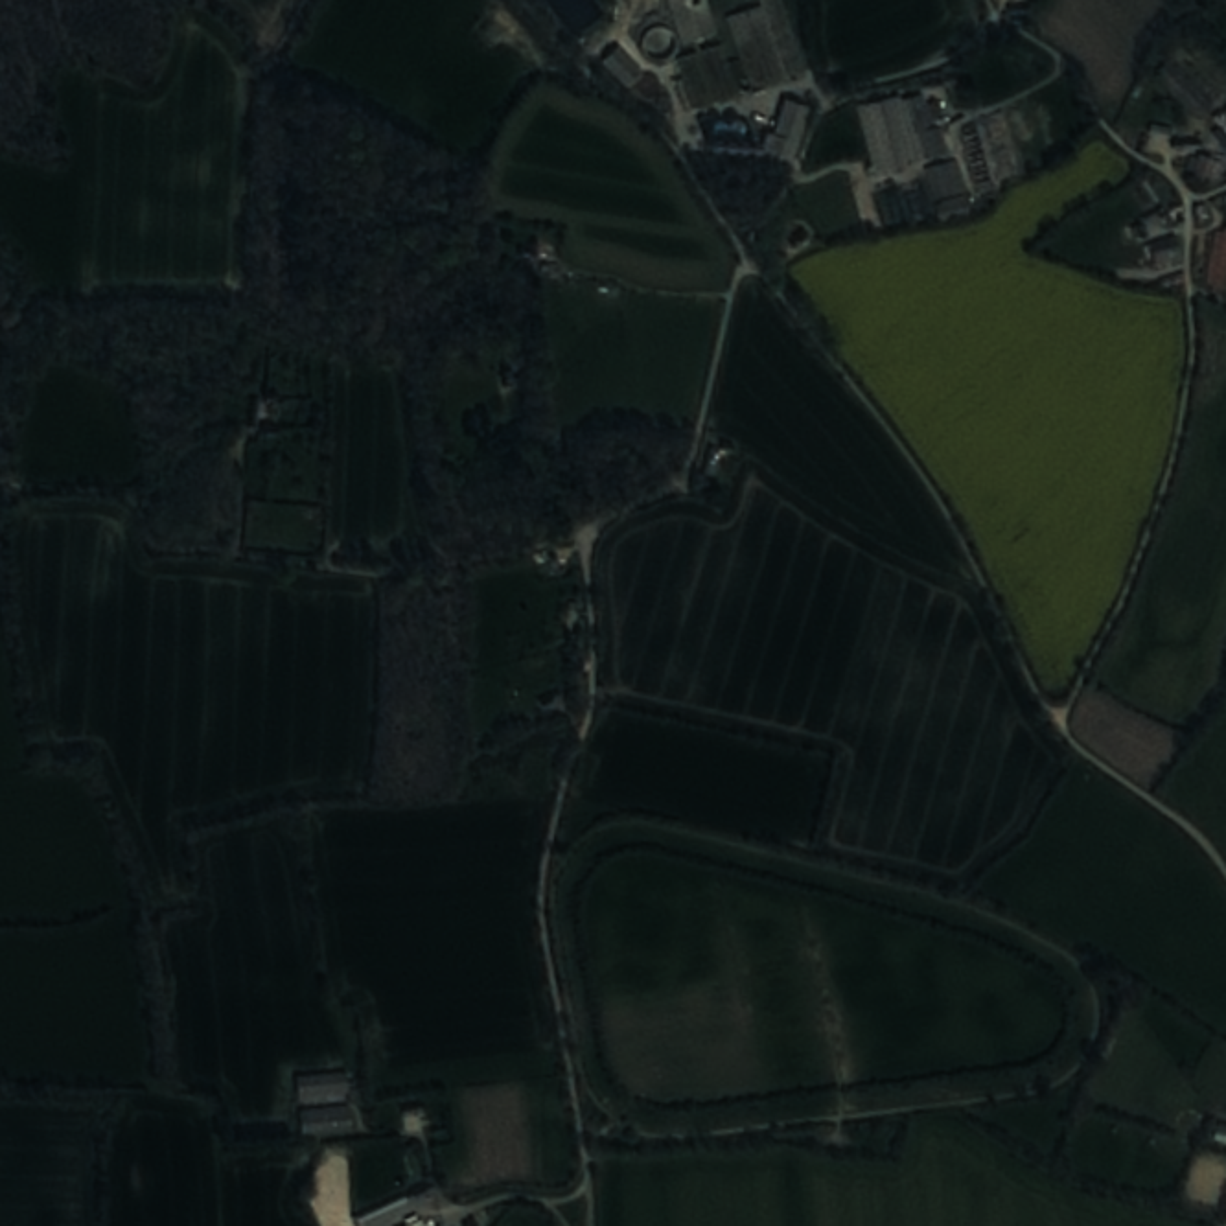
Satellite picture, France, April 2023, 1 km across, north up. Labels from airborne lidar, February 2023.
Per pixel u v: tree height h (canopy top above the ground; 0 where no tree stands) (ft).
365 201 58
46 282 0
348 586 0
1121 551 0
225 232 0
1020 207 0
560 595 25
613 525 22
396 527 0
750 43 0
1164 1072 0
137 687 0
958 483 0
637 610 0
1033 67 0
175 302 53
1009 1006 0
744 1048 0
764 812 0
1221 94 0
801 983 0
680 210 0
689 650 0
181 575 0
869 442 0
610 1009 0
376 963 0
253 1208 0
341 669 0
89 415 0
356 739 0
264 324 54
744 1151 43
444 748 48
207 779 0
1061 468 0
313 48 0
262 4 0
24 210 0
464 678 46
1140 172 36
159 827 0
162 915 27
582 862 0
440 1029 0
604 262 0
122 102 0
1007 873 0
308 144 99
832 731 0
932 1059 0
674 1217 0
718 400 0
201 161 0
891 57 0
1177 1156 0
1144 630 0
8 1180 0
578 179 0
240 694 0
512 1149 0
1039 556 0
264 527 0
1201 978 0
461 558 78
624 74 0
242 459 0
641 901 0
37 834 0
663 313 0
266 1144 38
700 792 0
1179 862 0
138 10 67
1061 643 0
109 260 0
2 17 55
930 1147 0
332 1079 0
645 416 0
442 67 0
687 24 0
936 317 0
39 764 51
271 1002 0
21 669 46
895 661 0
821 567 0
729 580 0
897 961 0
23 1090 31
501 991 0
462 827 0
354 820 0
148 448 25
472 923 0
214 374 73
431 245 98
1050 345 0
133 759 0
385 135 83
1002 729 0
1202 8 77
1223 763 0
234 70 0
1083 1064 26
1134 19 0
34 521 0
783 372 0
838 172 0
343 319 80
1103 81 0
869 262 0
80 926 31
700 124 0
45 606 0
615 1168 0
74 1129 0
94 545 0
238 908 0
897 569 0
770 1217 0
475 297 70
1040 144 0
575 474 60
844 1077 0
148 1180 0
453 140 0
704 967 0
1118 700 0
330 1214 0
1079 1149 0
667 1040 0
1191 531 0
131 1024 0
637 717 24
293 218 79
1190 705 0
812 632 0
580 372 0
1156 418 0
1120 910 0
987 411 0
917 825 0
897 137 0
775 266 44
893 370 0
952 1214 0
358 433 0
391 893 0
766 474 0
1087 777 0
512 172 0
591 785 0
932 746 0
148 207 0
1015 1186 0
